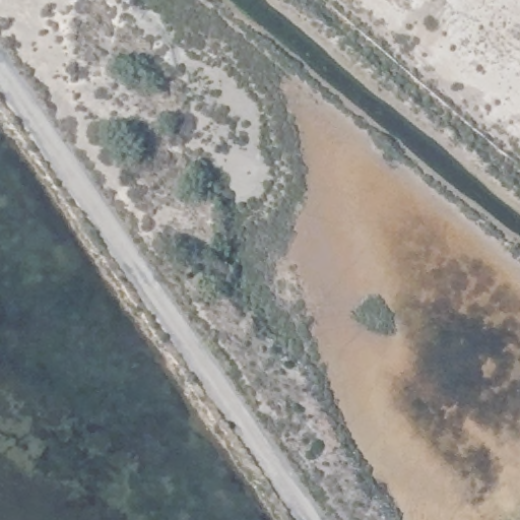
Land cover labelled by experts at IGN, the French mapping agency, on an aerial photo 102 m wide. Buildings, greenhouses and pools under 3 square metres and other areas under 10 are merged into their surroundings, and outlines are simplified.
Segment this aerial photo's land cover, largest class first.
<instances>
[{"label":"water","instance_id":"1","mask_svg":"<svg viewBox=\"0 0 520 520\"><path fill-rule=\"evenodd\" d=\"M242 12H246L252 20L266 28L280 41H284L290 49H295L303 59H307V63L319 75H323L329 83L343 91L355 106L366 110L386 130L398 134L408 144V148L414 150L431 169H435L461 193L477 201L494 217H498L502 223H506L512 232L520 236V213L508 207L481 181H477L469 171H465V167L457 163L439 142L429 138L416 126H412L386 102L370 93L358 79H353L343 67H339L315 41H311L286 16L276 12L266 0H232ZM286 95L288 114L297 118L303 158L309 169L305 201L297 203L295 207V238L288 244L286 252L290 258L297 260V270L293 272V276L297 284L303 286L307 315L315 319L311 333L317 339L321 362L327 366V378L331 382L335 400L343 412L345 425L351 431V437L358 443L360 451L372 465L374 477L388 485V492L392 494L396 506L402 510L404 520H520V439H514L510 431L494 433L492 429L477 425L473 418L463 420L465 433L473 439L477 447H485L490 451L492 463L500 467L496 488L485 494V500L481 504L471 506L469 483L445 459L433 453L431 445L425 439H418L414 435L412 423L406 416L408 412H412V408L404 404L400 392L404 384L416 374V349L435 337L423 323V313L433 305V301H449L451 307L461 315L469 311L471 305L485 307L490 315L483 319V323H490L494 327L502 325L506 319L520 321V260L512 256V252H508L498 238L485 234L473 219H469L459 209V205L451 203L437 189L429 187L410 167L400 163L396 169H390L384 160V152L376 146L372 136L364 128L355 126V122L349 116L339 112L305 79H301L299 75H290L280 85ZM370 297H382L394 313L392 335L372 333L351 317V313ZM0 520H270L264 506L256 498L252 485H248L244 477L236 471L228 453L211 437L205 423L199 418L197 410L189 406L183 390L167 370L165 358L154 349V345L142 335L140 327L122 309L114 290L106 284L98 266L77 240L75 232L69 228V221L49 197L45 185L37 179L28 160L18 152L16 142L4 134L0 126ZM506 349L512 353L514 364L510 376L514 382L520 380V347L514 343L506 345Z\"/></svg>","mask_w":520,"mask_h":520},{"label":"brushwood","instance_id":"2","mask_svg":"<svg viewBox=\"0 0 520 520\"><path fill-rule=\"evenodd\" d=\"M122 4V8L136 6L140 10H154L160 14L165 24L158 28V35H148L136 24V18L132 14H122L124 26L116 28L112 20L116 16V8L108 6L106 0H75V18L71 24L73 63L69 65V73L73 81H77L89 77V69L98 65L102 59L110 65L108 71L112 75V83L95 89L98 100H108L110 104H114L110 118H138L150 126L152 122L160 120L163 112L185 114V126L179 134L163 136L152 158H148L144 165L136 163L130 171H124L120 175L122 185L128 187L130 199L136 203V207L144 211V230L154 228V217L163 207H183L185 215L191 219V228L185 234L199 238L207 244L213 242V236L223 225L221 211L211 201H181V183L187 171L195 169L197 160L207 156L205 150H195L187 144L193 136V130L197 128V120L189 114L191 102H197V110L203 112L207 118L215 120L217 124H225L228 128H236L238 118L230 114V106L205 104V98L209 95L219 98L221 89L213 87L211 77L203 75V69L207 65L223 69L230 77L236 79L238 87L244 89L248 98L256 104L260 118L258 148L268 167V179L264 181V189L258 197L236 201V211L240 213L242 223L246 225V242L238 248L236 254V260L242 262L244 270L240 282L242 286L234 288V295L228 299L215 286L217 278L213 274L199 272L197 276L189 278L185 280V286L189 290H197L199 303H195V309L199 317L209 323L211 329L238 333L246 337L248 329L252 327L256 331V337H272V353H278L288 360V378H293L297 384H305V392L317 400L321 412L327 416L333 429L335 439L341 443L345 457H349L355 463V477L360 490L368 498L380 500L386 520H404L402 510L396 506L392 494L388 492V485L374 477L372 465L360 451L358 443L351 437V431L345 425L343 412L335 400L331 382L327 378V366L321 362L317 339L311 333L315 319L307 315L303 286L297 284L293 276V272L297 270V260L290 258L286 252L288 244L295 238V207L297 203L305 201L309 169L303 158L297 118L288 114L286 95L280 85L290 75H299L301 79H305L339 112L349 116L355 122V126L364 128L372 136L376 146L384 152V160L390 169H396L400 163L410 167L429 187L437 189L451 203L459 205V209L469 219H473L485 234L498 238L508 252H512V256L520 260V236L512 232L506 223H502L498 217H494L477 201L461 193L435 169H431L414 150L408 148V144L398 134L386 130L366 110L355 106L343 91L329 83L323 75H319L307 63V59H303L295 49H290L284 41H280L266 28L264 33H256L254 39H258V45L252 47L248 41H244L242 35L234 33L223 22L217 10L201 6L197 0H116ZM179 47L185 49L187 57L199 61L197 69H187L183 63L169 65L163 61L169 51ZM288 4H295L299 10H305L307 14L321 18L329 26V37H343L347 35L349 26H345L337 16H333L325 8V0H284ZM341 49L351 47L355 55L362 57L370 67H374L378 75H386L388 79H392L398 85L396 95L400 100H412L437 126L449 128L459 144H465L469 150L477 152V156L488 165V171L506 189H514L516 197L520 199V158L512 150L508 152V156H500L488 144L492 138L490 134L479 136L475 130H469L463 122L455 120L451 112L443 110L433 98L425 95L420 87L406 77L404 71L408 65L402 59L396 63L384 59L372 45L362 41L360 33H353L347 41H339ZM394 39L402 51H414V47L418 45V37H406L396 33ZM4 47L10 49V59L18 69V75H22L28 81V85L37 91V98L47 108L49 122L55 130L61 132L63 142H67L69 150L87 171L98 193L106 199V203L118 215L122 228L134 242L138 236L136 215L124 207L116 191L106 185L104 175L89 160L87 152L77 146L75 118L57 116V106L51 98L49 87L37 77L35 69L28 63L22 61L18 53L20 43L16 41V37H8ZM0 126L4 134L16 142L18 152L28 160L37 179L45 185L49 197L69 221V228L75 232L77 240L98 266L106 284L114 290L122 309L140 327L142 335L154 345V349L165 358L167 370L183 390L189 406L197 410L199 418L205 423L211 437L228 453L236 471L244 477L248 485H252L256 498L264 506L270 520H297L290 506L274 488L272 479L268 477L266 469L254 455V451L244 441L236 423L207 394L205 382L191 370L181 347L171 339V333H167L158 323L156 313L144 305L140 290L128 278L132 274L130 266L120 264L112 256L100 228L89 219L87 211L81 205H77L71 191L65 187L57 171L53 169L51 160L45 156V152L39 148L35 140H30V130L24 126L22 116H18L8 106L6 93L0 89ZM351 317L372 333L392 335L394 313L382 297H370L351 313ZM286 418H270L262 427L266 433H270L272 443L290 463L305 492L319 506L327 500L325 492L317 481L311 479L299 455L290 447L282 445L280 437L297 433L301 431V427H305V406L286 398ZM303 445L309 449V459L319 457L325 447L323 441L315 435H305Z\"/></svg>","mask_w":520,"mask_h":520},{"label":"pervious surface","instance_id":"3","mask_svg":"<svg viewBox=\"0 0 520 520\"><path fill-rule=\"evenodd\" d=\"M75 18V0H0V33L8 37H16V41L20 43L18 53L22 61L28 63L35 69L37 77L49 87L51 98L57 106V116L75 118L77 146L87 152L89 160L104 175L106 185L116 191L124 207L136 215L138 236L144 238V242H152L156 238L165 230V225L173 228L177 234H185L191 228V219L185 215L183 207H163L154 217V228L144 230V211L136 207V203L130 199L128 187L122 185L120 175L118 167L102 163L100 146L91 144L87 138L89 124H98L102 118H110L114 104H110L108 100H98L95 89L112 83V75L108 71L110 65L102 59L98 65L89 69V77L77 81H73L69 73V65L73 63L71 24ZM108 6L116 8V16L112 20L116 28L124 26L122 14H132L136 18V24L148 35H158V28L165 24L160 14L154 10H140L136 6L122 8V4L116 0H106ZM201 6L217 10L223 22L234 33L242 35L244 41H248L252 47L258 45V39H254L256 33H264L266 28L252 20L246 12H242L232 0H197ZM276 12L286 16L311 41H315L339 67H343L353 79H358L370 93L386 102L412 126H416L429 138L439 142L457 163L465 167V171H469L477 181H481L508 207L520 213V199L516 197L514 189H506L488 171V165L477 156V152L469 150L465 144H459L449 128L437 126L412 100H400L396 95L398 85L392 79H388L386 75H378L374 67H370L362 57L355 55L351 47L341 49L339 41H347L353 33H360L362 41L372 45L384 59L396 63L402 59L408 65L404 71L406 77L420 87L425 95L433 98L443 110L451 112L455 120L463 122L469 130H475L479 136L490 134L492 138L488 144L500 156H508V152L512 150L520 158V0H325V8L333 16H337L345 26H349L347 35L343 37H329V26L321 18L307 14L305 10H299L295 4H288L284 0H266ZM396 33L406 37H418V45L414 47V51H402L394 39ZM163 61L169 65L183 63L187 69H197L199 61L187 57L185 49L179 47L169 51ZM203 75L211 77L213 87L221 89L219 98L209 95L205 98V104L230 106V114L238 118L236 128H228L225 124H217L215 120L207 118L203 112L197 110V102H191L189 114L197 120V128L193 130V136L187 144L195 150H205L207 156L213 160L217 169H221L230 177V187L236 193V201L258 197L264 189V181L268 179V167L258 148L260 118L256 104L248 98L244 89L238 87L236 79L230 77L223 69L207 65L203 69Z\"/></svg>","mask_w":520,"mask_h":520},{"label":"herbaceous vegetation","instance_id":"4","mask_svg":"<svg viewBox=\"0 0 520 520\"><path fill-rule=\"evenodd\" d=\"M142 258L152 268L156 280L167 288L173 303L189 319L191 329L201 337L203 345L219 362L223 374L232 380L236 392L244 398L252 416L262 427L270 418H286V398L305 406V427H301V431L297 433L280 437L282 445L290 447L299 455L311 479L317 481L325 492L327 500L319 506L323 520H386L380 500L368 498L360 490L355 477V463L349 457H345L341 443L335 439L333 429L327 416L321 412L317 400L305 392V384H297L293 378H288V360L278 353H272V337H256V331L252 327L248 329L246 337L238 333L211 329L209 323L199 317L195 309V303H199L197 290H189L185 286V280L189 278L191 266L171 262L169 254L160 248V242L156 238L152 242H144V238L138 236L134 242ZM305 435H315L323 441L325 447L319 457L309 459V449L303 445ZM490 315L485 307L471 305L469 311L461 315L451 307L449 301H433V305L423 313V323L435 337L416 349V374L404 384L400 392L404 404L412 408V412H408L406 416L412 423L414 435L418 439H425L431 445L433 453L445 459L469 483L471 506L481 504L485 500V494L496 488L500 467L492 463L490 451L485 447H477L473 439L465 433L463 420L473 418L477 425L492 429L494 433L510 431L514 439H520V380L514 382L510 376L514 364L512 353L506 349V345L514 343L520 347V321L506 319L502 325L494 327L490 323H483V319Z\"/></svg>","mask_w":520,"mask_h":520},{"label":"impervious surface","instance_id":"5","mask_svg":"<svg viewBox=\"0 0 520 520\"><path fill-rule=\"evenodd\" d=\"M8 37L0 33V89L6 93L8 106L18 116H22L24 126L30 130V140H35L39 148L45 152V156L51 160L53 169L57 171L65 187L71 191L77 205H81L87 211L89 219L100 228L112 256L120 264L130 266L132 274L128 278L140 290L144 305L156 313L158 323L167 333H171V339L181 347L191 370L205 382L207 394L236 423L244 441L254 451V455L266 469L268 477L272 479L274 488L290 506L297 520H323L319 506L305 492L290 463L272 443L270 433H266L262 427L252 416L244 398L236 392L232 380L223 374L219 362L203 345L201 337L191 329L189 319L173 303L167 288L156 280L152 268L142 258L134 242L122 228L118 215L106 203V199L98 193L87 171L69 150L67 142H63L61 132L55 130L49 122L47 108L37 98V91L28 85V81L22 75H18V69L10 59V49L4 47Z\"/></svg>","mask_w":520,"mask_h":520},{"label":"deciduous trees","instance_id":"6","mask_svg":"<svg viewBox=\"0 0 520 520\"><path fill-rule=\"evenodd\" d=\"M185 126V114L163 112L160 120L152 122L150 126L138 118H102L98 124H89L87 138L91 144L100 146L102 163L118 167L120 175L124 171H130L136 163L144 165L148 158H152L163 136L179 134ZM181 201H211L221 211L223 225L213 236V242L207 244L199 238L185 234H177L173 228L165 225V230L156 238L160 242V248L169 254L171 262L191 266L189 278L197 276L199 272L213 274L217 278L215 286L228 299L234 295V288L242 286L240 282L244 270L242 262L236 260V254L238 248L246 242V225L242 223L240 213L236 211V193L230 187V177L221 169H217L213 160L207 156L197 160L195 169L187 171L181 183Z\"/></svg>","mask_w":520,"mask_h":520}]
</instances>
